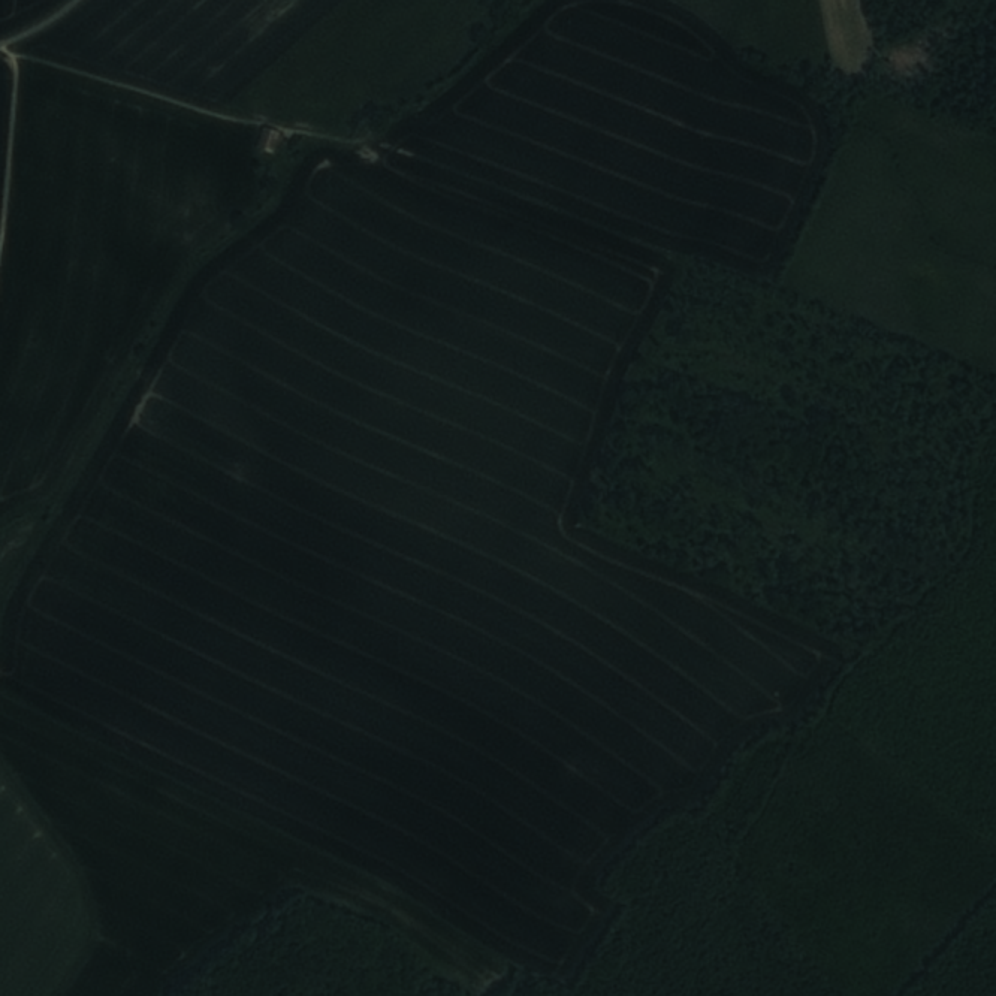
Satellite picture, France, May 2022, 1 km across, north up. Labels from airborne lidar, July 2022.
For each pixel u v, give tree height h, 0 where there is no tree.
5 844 0
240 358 0
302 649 0
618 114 0
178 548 0
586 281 0
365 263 0
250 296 0
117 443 0
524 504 0
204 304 0
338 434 0
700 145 0
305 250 0
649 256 0
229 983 20
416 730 0
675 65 0
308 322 0
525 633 0
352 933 18
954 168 0
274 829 0
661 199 0
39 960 0
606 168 0
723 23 0
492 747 0
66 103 0
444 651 0
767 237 0
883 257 0
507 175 0
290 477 0
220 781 0
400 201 0
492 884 0
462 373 0
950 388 8
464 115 0
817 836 6
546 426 0
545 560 0
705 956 19
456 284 0
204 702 0
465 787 0
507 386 0
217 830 0
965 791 6
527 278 0
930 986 17
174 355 0
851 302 0
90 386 0
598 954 13
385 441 0
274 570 0
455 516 0
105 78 0
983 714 7
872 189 0
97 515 0
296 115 0
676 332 25
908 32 33
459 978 0
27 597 0
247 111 0
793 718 0
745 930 15
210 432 0
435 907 0
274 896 0
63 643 0
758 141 0
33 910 0
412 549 0
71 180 0
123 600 0
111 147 0
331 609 0
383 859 0
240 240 0
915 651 6
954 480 22
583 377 0
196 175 0
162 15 0
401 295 0
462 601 0
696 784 0
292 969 22
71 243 0
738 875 18
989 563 6
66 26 0
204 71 0
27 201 0
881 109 0
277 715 0
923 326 0
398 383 0
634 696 0
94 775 0
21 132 0
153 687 0
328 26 0
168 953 0
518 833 0
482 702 0
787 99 0
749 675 0
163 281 0
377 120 26
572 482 0
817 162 0
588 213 0
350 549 0
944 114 21
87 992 0
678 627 0
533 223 0
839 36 0
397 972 23
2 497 0
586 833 0
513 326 0
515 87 0
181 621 0
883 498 27
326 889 0
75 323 0
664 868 18
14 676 0
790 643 0
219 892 0
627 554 0
